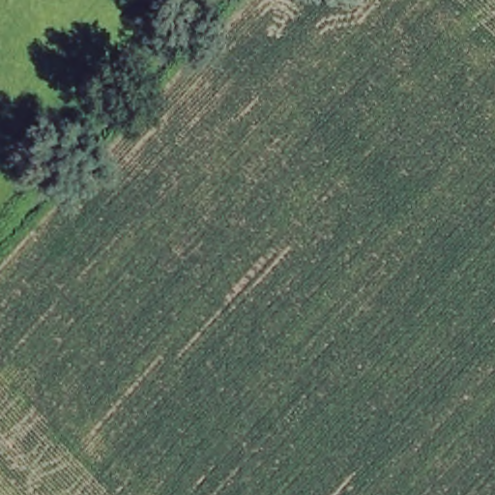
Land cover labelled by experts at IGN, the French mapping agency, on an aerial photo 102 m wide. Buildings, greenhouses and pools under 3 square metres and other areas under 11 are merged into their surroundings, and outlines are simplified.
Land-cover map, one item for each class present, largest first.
<instances>
[{"label":"agricultural land","instance_id":"1","mask_svg":"<svg viewBox=\"0 0 495 495\"><path fill-rule=\"evenodd\" d=\"M159 6L157 0H0V166L12 155L17 157V137L25 135L41 118H48L50 122L73 124L79 114L91 112L93 106L87 102L93 99V95H89L87 81H91L99 73L104 75L110 72L122 56L130 54L135 46H141L143 39L147 37L139 29V17L151 14ZM199 72L193 73L191 77L178 72L168 85H162V97L166 99V106L159 124L141 133L137 141L116 135V188L95 193V197L87 203V207L79 211V215H68L60 226L52 220V213H48L41 220L39 228L29 232L15 246L14 253H10L0 265V495H495V0H249L240 12H236L232 17L226 15L220 43L209 56H205V60L199 62ZM14 180H8L4 174H0V207L14 191Z\"/></svg>","mask_w":495,"mask_h":495},{"label":"deciduous trees","instance_id":"2","mask_svg":"<svg viewBox=\"0 0 495 495\"><path fill-rule=\"evenodd\" d=\"M249 0H157L159 6L151 14L139 17V29L147 37L143 39L141 46H135L130 54L122 56L110 72L104 75L99 73L91 81H87L89 95H93V99L87 102L93 106L91 112L79 114L73 124L50 122L48 118H41L25 135L17 137V157L12 155L0 166V174H4L8 180H14V191H23L25 195L27 189H33L44 199H56L64 195L68 215H79V211L87 207V203L95 197V193L116 188V135L137 141L141 133L159 124L166 106V99L162 97V85H168L178 72L191 77L193 73L199 72V62L205 60V56H209L220 43L226 15L232 17L236 12H240Z\"/></svg>","mask_w":495,"mask_h":495},{"label":"herbaceous vegetation","instance_id":"3","mask_svg":"<svg viewBox=\"0 0 495 495\"><path fill-rule=\"evenodd\" d=\"M48 213H52V220L60 226L68 215L64 195L56 199H44L33 189H27L25 195L23 191H14L0 207V265L10 253H14L15 246L29 232L39 228L41 220Z\"/></svg>","mask_w":495,"mask_h":495}]
</instances>
